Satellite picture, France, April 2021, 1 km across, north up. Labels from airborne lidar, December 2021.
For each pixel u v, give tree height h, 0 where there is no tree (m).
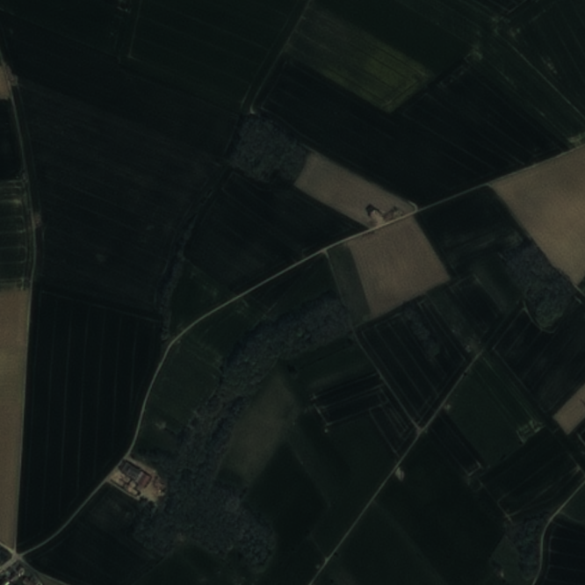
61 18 0
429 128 0
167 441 0
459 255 0
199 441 15
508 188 0
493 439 0
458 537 0
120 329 0
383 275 0
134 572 0
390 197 0
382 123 0
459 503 0
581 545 0
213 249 0
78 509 0
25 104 0
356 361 0
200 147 0
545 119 0
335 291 0
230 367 20
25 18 0
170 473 17
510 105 0
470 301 0
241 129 18
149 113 0
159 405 0
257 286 0
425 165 0
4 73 0
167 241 0
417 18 0
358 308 0
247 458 0
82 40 0
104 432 0
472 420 0
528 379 0
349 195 0
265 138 20
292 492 0
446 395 0
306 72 0
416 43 0
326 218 0
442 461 0
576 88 0
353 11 0
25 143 0
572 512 0
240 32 0
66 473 0
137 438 0
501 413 0
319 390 0
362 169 0
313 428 0
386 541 0
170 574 0
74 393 0
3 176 0
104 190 0
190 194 0
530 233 0
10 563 0
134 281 0
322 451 0
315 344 21
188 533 18
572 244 0
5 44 0
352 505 0
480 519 0
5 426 0
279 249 0
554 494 0
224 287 0
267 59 0
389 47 0
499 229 0
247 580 0
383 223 0
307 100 0
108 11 0
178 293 0
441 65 0
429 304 0
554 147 0
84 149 0
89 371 0
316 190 0
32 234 0
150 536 17
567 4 0
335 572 0
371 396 0
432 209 0
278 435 0
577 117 0
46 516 0
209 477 21
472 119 0
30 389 0
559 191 0
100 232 0
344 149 0
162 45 0
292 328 25
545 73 0
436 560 0
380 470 0
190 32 0
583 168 0
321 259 0
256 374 14
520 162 0
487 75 0
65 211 0
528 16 0
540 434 0
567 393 0
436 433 0
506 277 0
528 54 0
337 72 0
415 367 0
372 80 0
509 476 0
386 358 0
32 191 0
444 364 0
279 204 0
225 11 0
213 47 0
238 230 0
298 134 0
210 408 14
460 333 0
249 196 0
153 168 0
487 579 0
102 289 0
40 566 0
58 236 0
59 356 0
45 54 0
